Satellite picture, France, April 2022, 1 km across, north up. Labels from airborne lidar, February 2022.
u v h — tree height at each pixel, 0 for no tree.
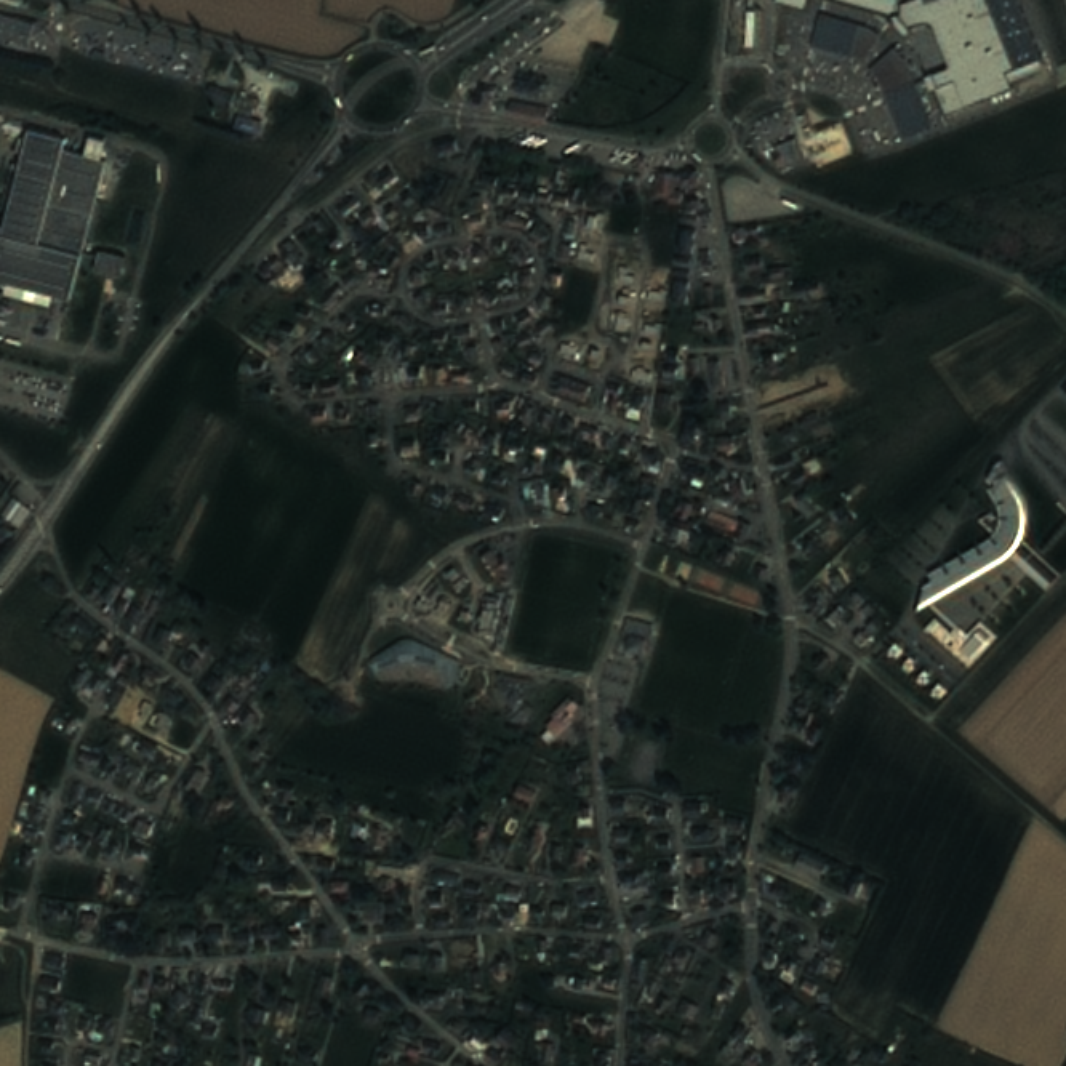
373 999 8
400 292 0
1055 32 0
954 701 0
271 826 0
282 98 0
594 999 0
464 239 0
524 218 0
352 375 0
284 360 0
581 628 0
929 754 0
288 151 0
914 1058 7
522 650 0
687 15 0
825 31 0
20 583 0
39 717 0
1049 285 13
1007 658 0
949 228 9
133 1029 0
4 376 0
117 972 0
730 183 0
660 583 0
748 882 0
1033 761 0
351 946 0
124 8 0
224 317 0
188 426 0
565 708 0
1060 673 0
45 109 0
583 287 0
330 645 0
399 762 0
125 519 0
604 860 0
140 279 0
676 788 18
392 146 0
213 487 0
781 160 0
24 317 0
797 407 0
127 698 0
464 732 10
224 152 0
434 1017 0
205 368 0
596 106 0
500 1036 0
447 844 0
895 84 0
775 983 8
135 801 0
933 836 0
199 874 0
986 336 0
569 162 13
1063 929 0
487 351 0
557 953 6
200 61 0
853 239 0
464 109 0
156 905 13
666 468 0
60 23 0
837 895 0
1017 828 0
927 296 0
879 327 0
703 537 7
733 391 0
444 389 0
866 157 0
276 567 0
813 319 7
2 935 0
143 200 0
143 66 0
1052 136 0
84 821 0
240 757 0
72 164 0
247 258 0
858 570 0
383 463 7
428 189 12
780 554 0
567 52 0
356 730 0
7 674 0
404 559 0
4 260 0
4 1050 0
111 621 0
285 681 12
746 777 0
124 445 0
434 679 0
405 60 0
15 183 0
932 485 0
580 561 0
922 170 0
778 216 0
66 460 0
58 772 0
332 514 0
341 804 15
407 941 0
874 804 0
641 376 0
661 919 6
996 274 0
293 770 7
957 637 0
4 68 0
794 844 7
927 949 0
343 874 7
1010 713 0
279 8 0
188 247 0
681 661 0
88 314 0
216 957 0
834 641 0
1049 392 0
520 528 0
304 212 0
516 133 0
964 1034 0
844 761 0
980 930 0
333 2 0
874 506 0
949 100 0
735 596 0
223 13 0
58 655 0
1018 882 0
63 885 0
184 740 0
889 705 0
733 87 0
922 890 0
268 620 0
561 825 14
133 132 0
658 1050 0
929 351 0
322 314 0
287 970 0
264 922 13
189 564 0
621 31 0
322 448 0
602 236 0
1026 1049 0
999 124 0
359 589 0
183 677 0
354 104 0
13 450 0
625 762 0
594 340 0
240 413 0
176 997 0
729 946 8
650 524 0
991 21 0
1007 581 7
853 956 0
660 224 0
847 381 0
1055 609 0
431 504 0
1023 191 0
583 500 0
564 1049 8
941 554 0
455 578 0
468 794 0
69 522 0
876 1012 0
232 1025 0
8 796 0
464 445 0
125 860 0
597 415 0
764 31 0
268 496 0
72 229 0
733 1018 0
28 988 0
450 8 0
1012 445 0
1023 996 0
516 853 0
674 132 0
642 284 0
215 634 0
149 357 0
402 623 0
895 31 0
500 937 0
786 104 0
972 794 0
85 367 0
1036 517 0
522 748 9
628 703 0
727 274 0
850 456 0
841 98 0
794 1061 7
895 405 0
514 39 0
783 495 0
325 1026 7
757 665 0
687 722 0
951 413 0
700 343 10
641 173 0
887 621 0
